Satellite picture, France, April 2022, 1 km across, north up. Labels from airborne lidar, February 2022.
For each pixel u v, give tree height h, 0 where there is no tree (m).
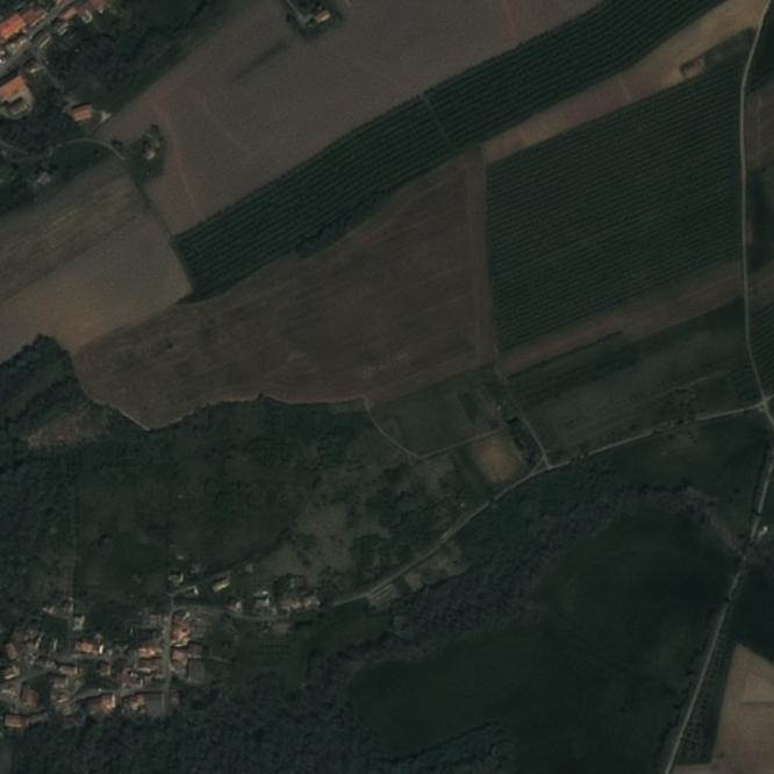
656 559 0
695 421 14
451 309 0
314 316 0
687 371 0
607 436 0
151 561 0
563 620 0
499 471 0
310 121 0
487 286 0
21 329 0
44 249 0
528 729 0
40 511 19
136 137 0
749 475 0
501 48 0
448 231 0
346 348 0
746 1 0
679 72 0
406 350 0
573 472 7
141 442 14
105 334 0
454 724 0
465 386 0
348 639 0
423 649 21
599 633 0
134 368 0
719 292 0
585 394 0
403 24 0
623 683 0
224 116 0
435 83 0
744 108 0
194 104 0
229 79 0
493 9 0
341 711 26
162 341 0
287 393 0
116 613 7
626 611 0
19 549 16
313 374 0
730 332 0
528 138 0
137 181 0
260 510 6
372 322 0
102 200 0
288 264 0
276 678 12
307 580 0
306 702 24
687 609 0
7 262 0
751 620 0
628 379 0
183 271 0
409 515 8
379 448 0
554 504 7
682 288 0
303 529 0
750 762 0
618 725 0
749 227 0
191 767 15
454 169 0
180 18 0
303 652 0
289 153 0
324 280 0
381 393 0
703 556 0
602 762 0
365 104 0
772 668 0
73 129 11
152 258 0
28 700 0
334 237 7
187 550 0
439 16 0
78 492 16
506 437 0
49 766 14
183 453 0
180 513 0
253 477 0
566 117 0
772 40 0
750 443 0
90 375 0
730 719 0
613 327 0
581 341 0
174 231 0
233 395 0
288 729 23
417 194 0
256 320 0
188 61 0
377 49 0
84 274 0
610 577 0
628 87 0
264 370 0
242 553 0
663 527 0
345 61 0
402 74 0
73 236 0
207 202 0
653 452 0
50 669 0
